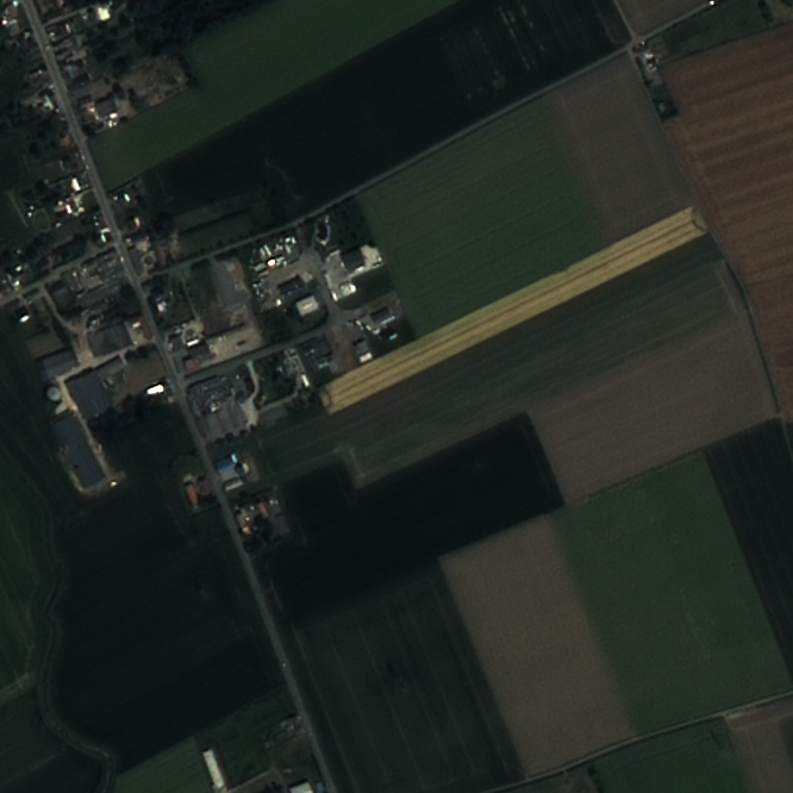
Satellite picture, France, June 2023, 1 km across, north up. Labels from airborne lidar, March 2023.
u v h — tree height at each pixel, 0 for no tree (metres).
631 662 0
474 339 0
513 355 0
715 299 0
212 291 0
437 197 0
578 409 0
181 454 0
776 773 0
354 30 0
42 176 0
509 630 0
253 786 0
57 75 0
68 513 0
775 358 0
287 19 0
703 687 0
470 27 0
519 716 0
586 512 0
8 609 0
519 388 0
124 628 0
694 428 0
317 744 0
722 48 0
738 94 0
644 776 0
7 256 13
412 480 0
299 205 0
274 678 0
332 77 0
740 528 0
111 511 0
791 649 0
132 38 0
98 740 0
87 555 0
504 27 0
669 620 0
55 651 0
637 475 0
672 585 0
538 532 0
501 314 0
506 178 0
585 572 0
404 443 0
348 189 0
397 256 0
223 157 0
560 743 0
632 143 0
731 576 0
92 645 0
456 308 0
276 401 0
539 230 0
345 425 0
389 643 0
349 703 0
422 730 0
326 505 0
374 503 0
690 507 0
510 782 0
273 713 0
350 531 0
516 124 0
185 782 0
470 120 0
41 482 0
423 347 0
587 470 0
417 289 0
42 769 0
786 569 0
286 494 0
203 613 0
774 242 0
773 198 0
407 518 0
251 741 0
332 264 0
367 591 0
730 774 0
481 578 0
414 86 0
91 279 0
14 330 0
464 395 0
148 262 0
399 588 0
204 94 0
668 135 0
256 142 0
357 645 0
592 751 0
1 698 0
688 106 0
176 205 0
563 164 0
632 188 0
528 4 0
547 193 0
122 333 0
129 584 0
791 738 0
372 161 0
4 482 0
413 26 0
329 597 0
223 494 0
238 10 18
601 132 0
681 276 0
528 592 0
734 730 0
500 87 0
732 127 0
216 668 0
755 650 0
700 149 0
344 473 0
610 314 0
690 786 0
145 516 0
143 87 0
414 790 0
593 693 0
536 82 0
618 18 0
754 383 0
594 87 0
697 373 0
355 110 0
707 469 0
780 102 0
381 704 0
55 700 0
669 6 0
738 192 0
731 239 0
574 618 0
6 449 0
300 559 0
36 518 0
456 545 0
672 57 0
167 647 0
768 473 0
